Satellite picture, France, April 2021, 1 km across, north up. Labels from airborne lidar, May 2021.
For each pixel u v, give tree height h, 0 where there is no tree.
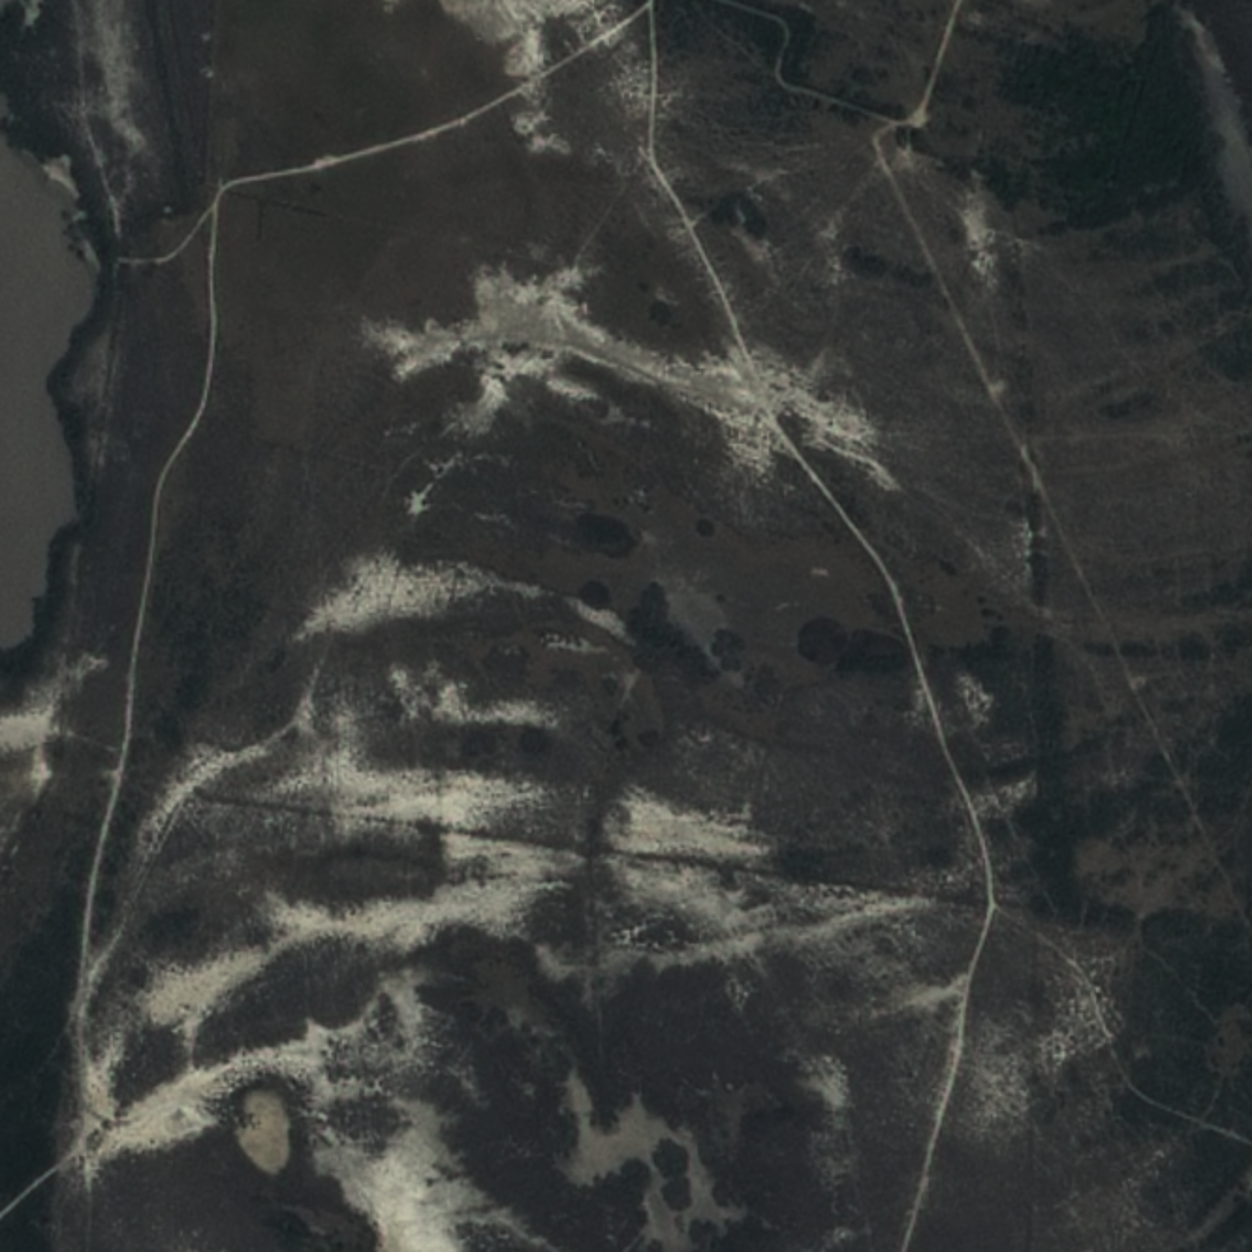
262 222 0
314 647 0
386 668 0
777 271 0
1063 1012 0
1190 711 0
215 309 0
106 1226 0
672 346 0
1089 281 0
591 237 0
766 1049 0
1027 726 0
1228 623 0
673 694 0
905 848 0
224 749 0
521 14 0
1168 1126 0
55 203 0
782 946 0
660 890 0
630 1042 0
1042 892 0
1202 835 0
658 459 0
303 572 0
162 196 0
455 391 0
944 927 0
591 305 0
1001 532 0
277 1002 0
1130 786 0
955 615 0
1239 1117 0
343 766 0
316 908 0
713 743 0
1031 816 0
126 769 0
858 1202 0
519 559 0
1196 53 0
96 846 0
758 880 0
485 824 0
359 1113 0
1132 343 0
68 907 0
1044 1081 0
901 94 0
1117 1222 0
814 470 0
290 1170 0
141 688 0
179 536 0
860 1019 0
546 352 0
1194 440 0
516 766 0
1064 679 0
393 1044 0
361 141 0
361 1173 0
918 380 0
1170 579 0
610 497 0
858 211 0
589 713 0
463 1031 0
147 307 0
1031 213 0
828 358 0
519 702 0
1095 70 6
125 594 0
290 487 0
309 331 0
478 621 0
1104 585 0
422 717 0
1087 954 0
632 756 0
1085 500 0
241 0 0
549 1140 0
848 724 0
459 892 0
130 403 0
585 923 0
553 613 0
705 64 0
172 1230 0
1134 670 0
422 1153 0
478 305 0
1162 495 0
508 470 0
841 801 0
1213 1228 0
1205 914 0
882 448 0
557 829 0
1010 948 0
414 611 0
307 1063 0
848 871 0
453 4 0
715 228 0
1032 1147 0
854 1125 0
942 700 0
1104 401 0
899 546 0
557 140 0
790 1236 0
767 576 0
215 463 0
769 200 0
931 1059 0
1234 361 0
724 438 0
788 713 0
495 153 0
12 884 0
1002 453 0
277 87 0
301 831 0
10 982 0
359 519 0
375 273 0
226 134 0
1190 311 0
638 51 0
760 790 0
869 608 0
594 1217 0
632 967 0
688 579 0
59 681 0
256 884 0
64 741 0
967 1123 0
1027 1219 0
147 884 0
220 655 0
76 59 0
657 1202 0
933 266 0
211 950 0
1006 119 0
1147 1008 0
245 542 0
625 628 0
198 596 0
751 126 0
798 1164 0
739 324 0
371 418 0
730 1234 0
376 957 0
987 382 0
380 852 0
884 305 0
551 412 0
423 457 0
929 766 0
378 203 0
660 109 0
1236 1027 0
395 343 0
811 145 0
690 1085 0
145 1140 0
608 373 0
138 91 0
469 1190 0
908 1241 0
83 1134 0
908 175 0
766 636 0
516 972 0
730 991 0
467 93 0
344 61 0
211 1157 0
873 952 0
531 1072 0
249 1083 0
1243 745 0
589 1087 0
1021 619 0
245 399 0
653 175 0
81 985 0
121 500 0
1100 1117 0
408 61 0
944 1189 0
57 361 0
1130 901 0
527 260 0
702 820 0
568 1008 0
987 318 0
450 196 0
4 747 0
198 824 0
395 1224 0
